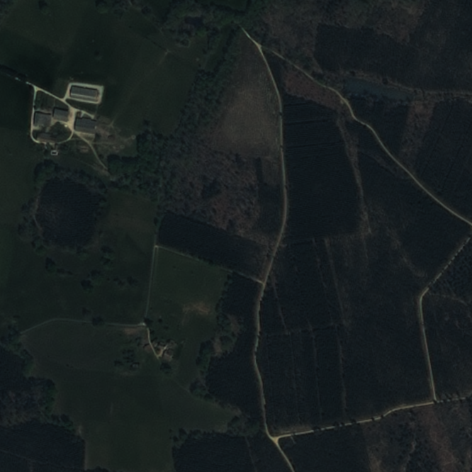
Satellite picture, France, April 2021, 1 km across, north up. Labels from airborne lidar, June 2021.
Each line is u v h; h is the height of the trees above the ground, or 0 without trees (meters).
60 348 0
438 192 10
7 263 0
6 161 0
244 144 0
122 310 0
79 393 0
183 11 24
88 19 0
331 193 8
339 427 13
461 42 8
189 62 0
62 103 0
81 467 9
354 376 10
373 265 6
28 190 0
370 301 7
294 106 12
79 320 0
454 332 9
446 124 11
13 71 9
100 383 0
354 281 6
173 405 0
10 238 0
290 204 8
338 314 11
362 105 11
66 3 0
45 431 9
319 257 11
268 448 7
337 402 11
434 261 8
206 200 16
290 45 14
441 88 10
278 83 10
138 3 12
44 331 0
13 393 9
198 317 0
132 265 0
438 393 7
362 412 8
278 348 12
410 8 0
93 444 0
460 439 7
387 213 7
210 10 12
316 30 7
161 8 0
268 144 0
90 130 0
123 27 0
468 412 10
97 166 0
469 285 19
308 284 12
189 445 8
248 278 8
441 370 8
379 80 13
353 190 12
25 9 0
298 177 10
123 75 0
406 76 8
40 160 0
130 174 15
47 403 20
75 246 12
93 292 19
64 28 0
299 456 10
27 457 9
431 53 5
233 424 11
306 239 10
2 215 0
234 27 18
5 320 0
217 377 11
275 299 11
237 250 9
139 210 0
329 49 9
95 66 0
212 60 0
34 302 0
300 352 9
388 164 9
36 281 0
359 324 8
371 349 7
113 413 0
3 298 0
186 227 11
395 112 11
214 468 10
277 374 11
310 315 13
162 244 8
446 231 10
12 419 13
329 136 12
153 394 0
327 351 12
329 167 11
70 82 0
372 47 9
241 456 9
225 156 7
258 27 22
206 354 17
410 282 8
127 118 0
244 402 10
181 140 10
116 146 0
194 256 17
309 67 12
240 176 7
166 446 0
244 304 10
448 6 8
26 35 0
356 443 8
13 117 0
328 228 10
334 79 12
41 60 0
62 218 6
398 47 9
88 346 0
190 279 0
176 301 0
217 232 11
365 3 14
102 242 0
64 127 0
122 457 0
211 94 17
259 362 9
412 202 8
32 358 14
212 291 0
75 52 0
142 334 0
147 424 0
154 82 0
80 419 0
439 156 10
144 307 0
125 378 0
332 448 10
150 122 6
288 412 9
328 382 12
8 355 10
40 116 0
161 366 0
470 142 10
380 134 9
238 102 0
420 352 7
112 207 0
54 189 7
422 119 9
